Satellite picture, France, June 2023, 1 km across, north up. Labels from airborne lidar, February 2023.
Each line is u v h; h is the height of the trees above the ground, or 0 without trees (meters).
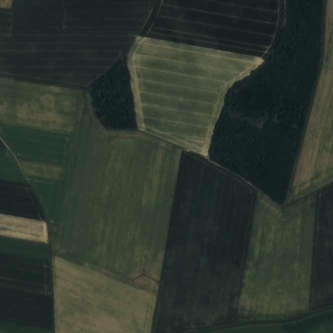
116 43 0
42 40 0
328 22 0
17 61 0
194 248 0
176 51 0
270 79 15
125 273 0
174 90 0
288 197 0
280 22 0
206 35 0
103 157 0
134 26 0
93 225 0
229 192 0
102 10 0
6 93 0
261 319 0
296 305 0
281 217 0
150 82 0
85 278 0
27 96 0
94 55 0
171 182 0
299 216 0
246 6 0
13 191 0
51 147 0
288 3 10
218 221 0
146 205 0
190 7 0
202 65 0
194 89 0
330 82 0
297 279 0
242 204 0
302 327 0
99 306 0
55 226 0
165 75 0
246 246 0
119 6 0
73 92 0
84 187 0
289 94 17
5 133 0
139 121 0
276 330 0
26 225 0
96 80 0
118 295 0
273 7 0
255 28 0
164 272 0
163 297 0
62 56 0
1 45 0
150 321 0
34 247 0
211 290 0
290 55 23
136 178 0
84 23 0
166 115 0
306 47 22
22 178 0
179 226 0
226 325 0
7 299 0
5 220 0
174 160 0
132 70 0
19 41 0
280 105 22
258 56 0
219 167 0
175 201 0
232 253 0
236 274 0
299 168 0
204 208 0
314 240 0
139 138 0
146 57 0
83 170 0
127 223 0
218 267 0
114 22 0
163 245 0
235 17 0
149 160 0
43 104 0
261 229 0
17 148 0
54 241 0
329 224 0
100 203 0
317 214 0
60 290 0
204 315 0
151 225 0
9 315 0
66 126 0
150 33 0
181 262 0
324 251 0
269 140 20
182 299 0
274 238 0
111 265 0
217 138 18
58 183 0
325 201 0
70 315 0
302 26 18
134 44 0
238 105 19
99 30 0
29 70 0
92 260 0
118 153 0
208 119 0
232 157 16
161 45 0
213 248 0
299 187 0
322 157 0
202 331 0
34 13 0
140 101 0
